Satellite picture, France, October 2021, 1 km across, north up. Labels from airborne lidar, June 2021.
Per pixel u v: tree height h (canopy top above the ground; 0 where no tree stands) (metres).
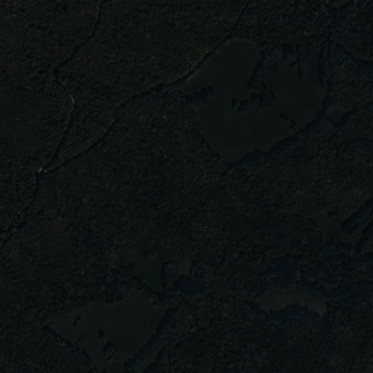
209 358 24
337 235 0
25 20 17
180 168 16
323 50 12
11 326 20
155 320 0
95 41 14
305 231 15
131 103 21
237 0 20
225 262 20
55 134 17
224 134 0
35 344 19
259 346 21
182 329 24
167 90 18
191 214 17
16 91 21
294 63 15
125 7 21
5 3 22
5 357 25
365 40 17
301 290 20
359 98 22
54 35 21
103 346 0
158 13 25
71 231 24
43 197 24
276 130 0
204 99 20
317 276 21
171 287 19
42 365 20
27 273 20
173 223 24
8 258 21
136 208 22
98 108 20
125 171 17
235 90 0
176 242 16
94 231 21
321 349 26
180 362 25
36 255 21
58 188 21
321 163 19
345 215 23
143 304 0
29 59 23
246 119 0
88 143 19
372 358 20
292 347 20
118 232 21
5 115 20
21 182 21
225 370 21
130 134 22
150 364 0
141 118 21
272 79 0
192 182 17
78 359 19
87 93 26
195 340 24
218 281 27
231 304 25
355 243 0
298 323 23
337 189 26
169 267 17
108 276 19
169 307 10
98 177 20
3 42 21
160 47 20
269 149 0
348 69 24
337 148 19
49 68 22
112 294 14
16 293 22
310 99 0
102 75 23
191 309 30
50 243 20
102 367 0
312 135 19
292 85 0
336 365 21
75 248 23
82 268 23
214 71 0
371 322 22
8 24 15
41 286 23
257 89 21
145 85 20
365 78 24
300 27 18
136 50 21
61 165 16
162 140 18
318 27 17
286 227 24
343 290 18
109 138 20
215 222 20
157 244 21
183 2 21
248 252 15
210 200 16
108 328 0
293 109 0
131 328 0
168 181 18
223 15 18
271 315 0
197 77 0
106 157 21
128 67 20
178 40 24
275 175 27
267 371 20
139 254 16
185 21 23
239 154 0
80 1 23
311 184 23
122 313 0
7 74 27
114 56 18
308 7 17
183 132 19
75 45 17
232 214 19
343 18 15
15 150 24
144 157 27
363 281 14
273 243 22
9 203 22
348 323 21
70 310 18
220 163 17
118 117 22
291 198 25
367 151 21
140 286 18
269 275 25
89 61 20
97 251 19
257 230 27
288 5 17
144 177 25
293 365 23
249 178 24
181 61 21
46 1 22
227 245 19
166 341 23
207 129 0
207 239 17
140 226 19
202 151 21
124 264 19
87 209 23
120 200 22
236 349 18
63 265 16
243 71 0
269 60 18
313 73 0
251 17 20
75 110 17
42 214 26
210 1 21
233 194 22
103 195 20
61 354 24
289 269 20
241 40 15
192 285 13
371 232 23
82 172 21
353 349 18
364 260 18
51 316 20
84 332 0
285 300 0
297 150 20
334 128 21
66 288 19
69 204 16
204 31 21
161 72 20
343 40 14
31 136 18
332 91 19
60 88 23
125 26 22
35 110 19
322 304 0
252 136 0
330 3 20
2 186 19
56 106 20
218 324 20
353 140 20
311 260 23
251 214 24
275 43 15
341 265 14
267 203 27
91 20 18
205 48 22
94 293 21
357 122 21
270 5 18
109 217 23
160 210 21
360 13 12
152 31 22
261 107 20
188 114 22
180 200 15
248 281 20
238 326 21
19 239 21
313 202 29
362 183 25
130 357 0
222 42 17
